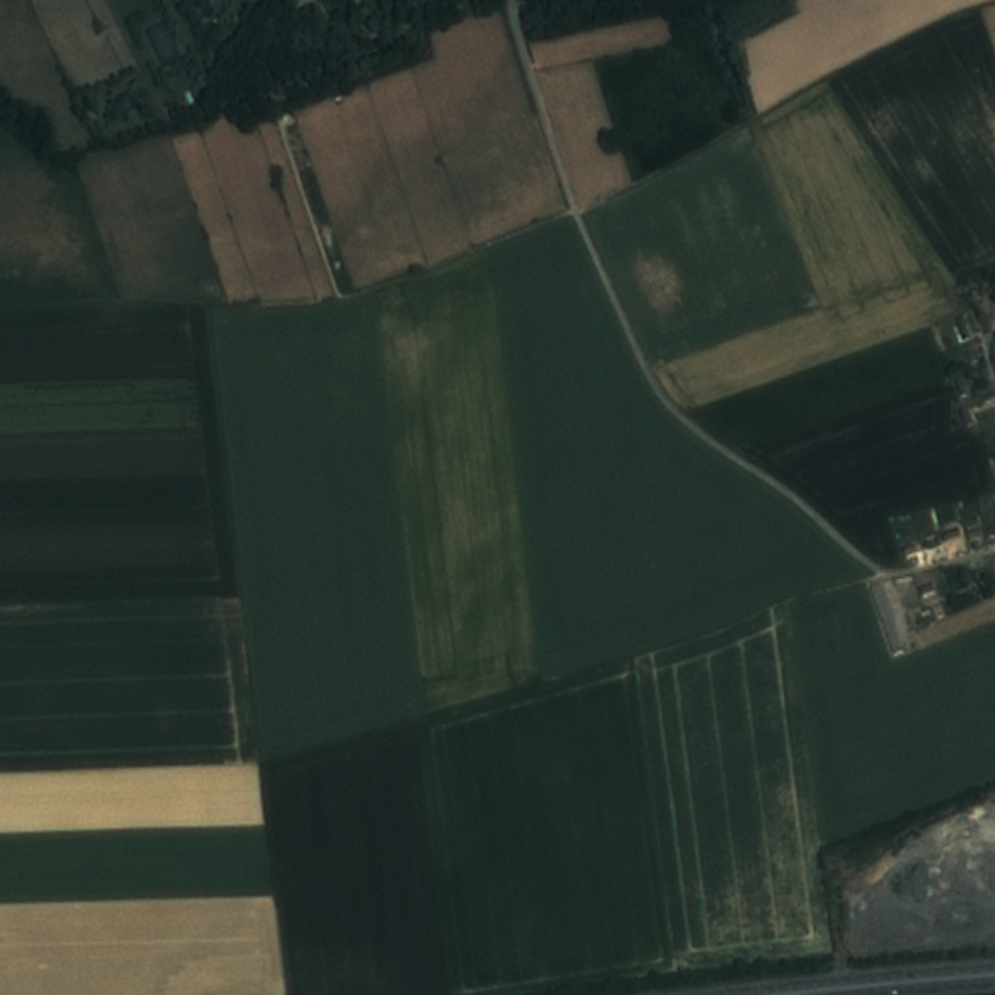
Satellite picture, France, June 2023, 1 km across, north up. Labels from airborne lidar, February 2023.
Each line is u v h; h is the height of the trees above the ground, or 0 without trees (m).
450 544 0
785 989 0
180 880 0
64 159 14
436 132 0
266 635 0
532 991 0
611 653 0
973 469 0
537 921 0
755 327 0
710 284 0
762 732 0
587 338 0
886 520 0
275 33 23
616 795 0
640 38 0
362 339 0
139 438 0
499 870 0
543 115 0
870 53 0
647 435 0
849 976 0
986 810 0
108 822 0
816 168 0
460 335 0
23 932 0
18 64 0
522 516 0
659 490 0
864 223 0
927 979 0
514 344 0
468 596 0
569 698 0
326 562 0
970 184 0
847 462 0
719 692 0
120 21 0
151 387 0
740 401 0
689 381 0
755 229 0
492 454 0
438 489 0
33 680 0
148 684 0
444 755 0
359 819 0
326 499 0
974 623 0
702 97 0
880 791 0
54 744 0
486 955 0
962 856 0
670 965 0
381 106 0
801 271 0
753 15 0
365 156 0
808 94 0
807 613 0
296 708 0
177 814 0
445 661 0
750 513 0
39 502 0
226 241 0
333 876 0
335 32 16
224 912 0
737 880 0
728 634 0
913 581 0
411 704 0
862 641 0
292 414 0
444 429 0
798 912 0
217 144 0
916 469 0
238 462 0
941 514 0
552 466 0
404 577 0
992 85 0
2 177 0
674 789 0
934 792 0
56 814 0
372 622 0
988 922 0
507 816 0
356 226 0
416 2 18
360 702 0
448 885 0
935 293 0
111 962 0
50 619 0
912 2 0
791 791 0
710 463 0
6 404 0
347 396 0
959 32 0
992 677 0
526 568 0
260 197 0
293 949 0
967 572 6
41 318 0
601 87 0
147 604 0
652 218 0
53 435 0
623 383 0
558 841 0
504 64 0
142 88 13
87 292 0
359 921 0
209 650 0
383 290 0
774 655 0
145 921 0
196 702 0
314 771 0
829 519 0
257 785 0
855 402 0
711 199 0
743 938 0
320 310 0
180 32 12
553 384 0
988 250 0
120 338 0
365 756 0
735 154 0
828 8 0
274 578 0
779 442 0
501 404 0
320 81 18
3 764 0
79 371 0
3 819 0
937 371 0
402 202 0
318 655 0
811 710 0
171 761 0
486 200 0
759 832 0
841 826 0
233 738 0
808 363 0
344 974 0
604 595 0
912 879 0
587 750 0
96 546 0
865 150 0
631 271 0
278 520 0
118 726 0
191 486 0
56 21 0
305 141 0
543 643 0
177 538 0
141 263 0
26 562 0
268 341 0
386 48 7
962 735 0
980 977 0
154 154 0
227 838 0
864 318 0
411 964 0
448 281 0
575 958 0
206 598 0
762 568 0
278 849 0
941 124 0
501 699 0
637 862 0
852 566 0
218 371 0
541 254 0
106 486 0
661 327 0
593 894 0
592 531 0
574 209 0
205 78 14
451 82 0
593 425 0
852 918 0
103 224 0
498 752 0
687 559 0
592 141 0
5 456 0
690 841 0
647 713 0
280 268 0
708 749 0
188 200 0
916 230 0
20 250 0
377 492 0
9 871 0
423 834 0
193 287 0
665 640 0
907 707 0
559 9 25
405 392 0
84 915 0
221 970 0
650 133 0
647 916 0
